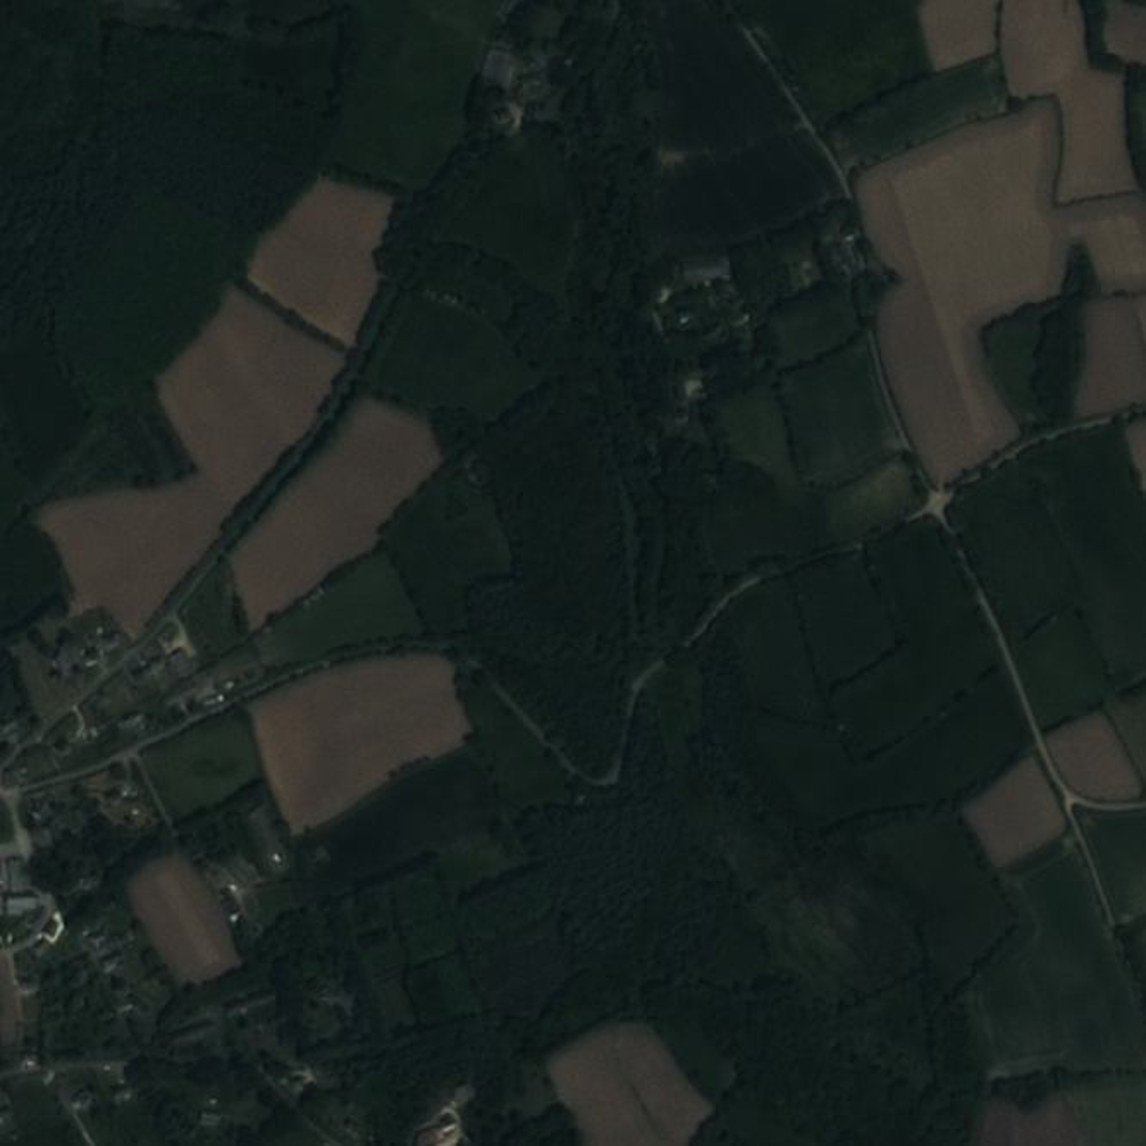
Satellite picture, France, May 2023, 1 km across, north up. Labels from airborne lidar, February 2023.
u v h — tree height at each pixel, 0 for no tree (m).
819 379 0
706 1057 0
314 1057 26
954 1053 11
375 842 0
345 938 24
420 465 0
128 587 0
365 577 0
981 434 0
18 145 15
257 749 0
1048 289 0
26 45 14
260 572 0
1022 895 0
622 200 21
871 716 0
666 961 18
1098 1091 0
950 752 0
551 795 0
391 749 0
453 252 14
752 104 0
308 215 0
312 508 0
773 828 21
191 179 22
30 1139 0
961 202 0
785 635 0
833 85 0
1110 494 0
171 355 13
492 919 18
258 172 20
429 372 0
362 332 9
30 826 9
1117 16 0
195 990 14
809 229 12
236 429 0
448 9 0
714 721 9
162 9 0
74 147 25
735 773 17
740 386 14
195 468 8
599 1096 0
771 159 0
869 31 0
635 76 7
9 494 0
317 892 0
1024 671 0
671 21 0
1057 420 9
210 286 16
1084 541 0
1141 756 0
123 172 17
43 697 0
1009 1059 0
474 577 0
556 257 0
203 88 19
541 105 8
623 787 11
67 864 9
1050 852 0
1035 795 0
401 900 13
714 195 0
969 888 0
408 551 0
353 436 0
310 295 0
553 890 25
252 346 0
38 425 0
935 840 0
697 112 0
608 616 20
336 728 0
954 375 0
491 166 14
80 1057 15
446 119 0
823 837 15
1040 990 0
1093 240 0
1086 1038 0
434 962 12
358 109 0
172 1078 13
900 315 0
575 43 15
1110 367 0
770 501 0
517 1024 13
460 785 0
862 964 0
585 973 14
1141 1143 0
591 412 23
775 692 0
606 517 26
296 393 0
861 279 12
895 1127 12
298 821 0
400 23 0
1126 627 0
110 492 0
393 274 16
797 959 0
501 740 0
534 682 10
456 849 0
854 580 0
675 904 19
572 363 20
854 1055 7
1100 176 0
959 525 13
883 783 0
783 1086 10
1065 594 0
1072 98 0
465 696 14
